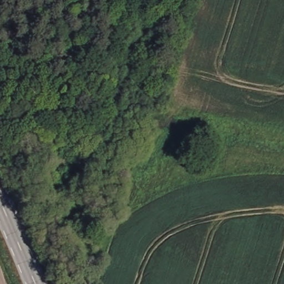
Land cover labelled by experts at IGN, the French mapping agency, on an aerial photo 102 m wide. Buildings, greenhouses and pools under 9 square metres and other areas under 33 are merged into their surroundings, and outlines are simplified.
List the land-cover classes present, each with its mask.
<instances>
[{"label":"agricultural land","instance_id":"1","mask_svg":"<svg viewBox=\"0 0 284 284\"><path fill-rule=\"evenodd\" d=\"M201 24L179 61V82L174 89L173 101L191 110L284 125V0H203L199 14ZM103 253L109 250L111 256V263L101 276L100 284H284V174L239 175L213 181L210 179H209L164 194L131 213L128 221L120 224L114 236H110L108 243L100 248Z\"/></svg>","mask_w":284,"mask_h":284},{"label":"deciduous trees","instance_id":"2","mask_svg":"<svg viewBox=\"0 0 284 284\"><path fill-rule=\"evenodd\" d=\"M203 0H121L118 7L112 4L108 21L111 23L110 43L106 51H103L102 47H95V33L87 43L72 45L63 57L54 55L50 60L40 63L37 59L26 60L23 55L12 53L8 47L10 38L0 43V177L3 186L17 189L22 199L27 196L24 184L35 174L42 173L45 165L40 164L34 155L28 156L27 152L19 150V142L29 130L44 129L55 133L54 140H58V143L54 146L58 149L59 158L65 162L57 166V172L61 176L68 172L70 164L77 156L85 158L91 154L98 158L99 162L89 164V185L101 187L102 179L109 180L111 176H119V171L113 170V161L118 154L119 143L132 139L134 132L142 131L141 121L146 115L158 120L168 112L173 101L174 89L179 82V61L201 24L199 14ZM211 124L206 123L204 126H196L191 134L186 135L180 148L173 149L171 156L179 159L194 177L209 179H210L219 170L226 149L219 136L209 135ZM77 235L81 239H92L100 248L108 243L110 236L100 222H91L89 226L81 225Z\"/></svg>","mask_w":284,"mask_h":284},{"label":"coniferous trees","instance_id":"3","mask_svg":"<svg viewBox=\"0 0 284 284\"><path fill-rule=\"evenodd\" d=\"M121 0H0V43L10 38L8 47L12 53L23 55L26 60L37 59L40 63L50 60L54 55L63 57L72 45L87 43L95 33V47H102L103 51H106L110 43L111 23L108 21L112 4L118 7ZM142 131L134 132L132 139L119 143L118 154L113 161V170L119 171V176H111L109 180L102 179L101 187L89 185V164L99 162L98 158L91 154L85 158L77 156L70 164L68 172L61 176L57 172V166L65 162L59 158L58 149L54 146L58 143V140H54L55 133L44 129L29 130L19 142V150L27 152L28 156L34 155L40 164L45 165L42 173L35 174L24 184L27 196L22 199L27 206L23 207L20 217L24 224L30 225L27 232L39 261L49 258L51 265L47 268L45 276L50 284H100L101 276L111 263V256L109 250L103 253L100 248L92 239H81L77 235L81 225L89 226L91 222H100L110 236H114L120 224L128 221L131 213L128 204L132 189L130 172L151 158L155 149L154 141L161 129L158 120L146 115L141 121Z\"/></svg>","mask_w":284,"mask_h":284},{"label":"herbaceous vegetation","instance_id":"4","mask_svg":"<svg viewBox=\"0 0 284 284\"><path fill-rule=\"evenodd\" d=\"M161 129L154 141L155 149L151 158L130 172L132 189L128 204L131 213L164 194L209 179L194 177L179 159L171 156L173 149L180 148L186 135L191 134L196 126H204L206 123L211 124L209 135L219 136L226 149L219 170L210 179L213 181L239 175L284 174V125L191 110L173 101L168 112L158 120ZM0 284H22L9 248L0 232Z\"/></svg>","mask_w":284,"mask_h":284},{"label":"impervious surface","instance_id":"5","mask_svg":"<svg viewBox=\"0 0 284 284\"><path fill-rule=\"evenodd\" d=\"M27 206L22 199L17 189L3 186L0 177V232L9 248L22 284H50L45 276L47 268L51 265L49 258L39 261L27 232L30 225L24 224L20 217L23 207Z\"/></svg>","mask_w":284,"mask_h":284}]
</instances>
